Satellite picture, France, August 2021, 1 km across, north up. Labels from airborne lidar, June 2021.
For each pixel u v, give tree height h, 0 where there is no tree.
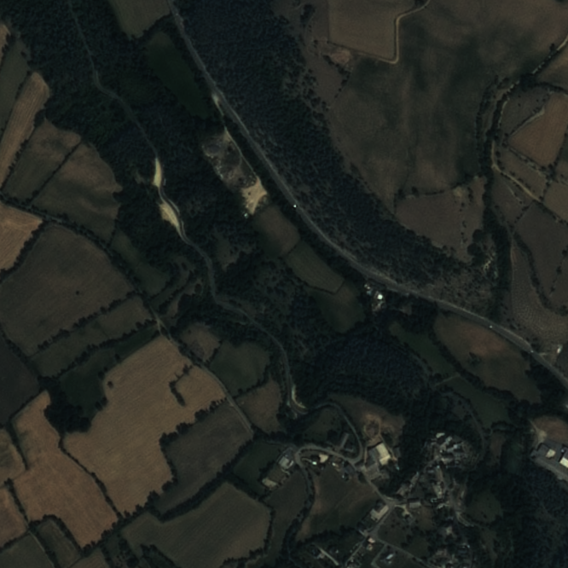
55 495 0
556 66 0
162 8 0
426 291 0
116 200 13
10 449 0
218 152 0
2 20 6
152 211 11
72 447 0
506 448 11
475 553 9
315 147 17
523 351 6
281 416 9
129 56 29
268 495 9
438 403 11
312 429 0
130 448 0
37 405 0
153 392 0
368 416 0
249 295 6
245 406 0
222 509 0
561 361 0
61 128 9
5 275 17
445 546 6
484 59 0
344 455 7
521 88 7
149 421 0
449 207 0
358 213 15
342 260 13
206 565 0
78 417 10
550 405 7
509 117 0
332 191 12
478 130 7
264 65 11
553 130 0
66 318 0
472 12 0
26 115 0
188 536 0
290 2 0
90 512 0
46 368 0
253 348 0
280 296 19
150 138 10
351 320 0
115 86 7
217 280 11
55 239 0
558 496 10
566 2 0
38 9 12
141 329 16
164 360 0
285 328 13
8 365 0
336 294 0
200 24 17
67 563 0
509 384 0
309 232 9
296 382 8
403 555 0
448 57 0
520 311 0
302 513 8
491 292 7
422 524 0
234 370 0
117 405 0
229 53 12
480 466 11
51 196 0
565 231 0
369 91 0
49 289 0
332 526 0
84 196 0
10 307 0
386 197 0
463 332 0
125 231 13
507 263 6
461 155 0
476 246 9
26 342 0
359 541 0
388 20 0
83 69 22
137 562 17
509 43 0
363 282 17
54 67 13
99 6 15
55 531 0
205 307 7
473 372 0
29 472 0
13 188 0
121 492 0
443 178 0
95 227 0
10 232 0
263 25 11
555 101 0
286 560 17
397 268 15
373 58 0
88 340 0
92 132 20
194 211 7
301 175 12
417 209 0
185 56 16
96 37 19
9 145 0
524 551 16
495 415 0
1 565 0
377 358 18
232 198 17
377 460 0
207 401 0
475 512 0
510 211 0
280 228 0
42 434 0
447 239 0
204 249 11
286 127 7
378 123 0
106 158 13
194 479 0
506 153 0
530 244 0
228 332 13
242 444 0
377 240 13
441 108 0
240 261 11
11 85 0
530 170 0
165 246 17
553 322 0
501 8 0
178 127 12
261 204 0
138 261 0
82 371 0
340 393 8
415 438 27
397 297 11
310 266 0
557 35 0
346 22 0
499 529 9
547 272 0
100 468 0
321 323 14
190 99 0
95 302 0
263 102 11
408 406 11
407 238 14
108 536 11
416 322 10
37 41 14
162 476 0
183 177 12
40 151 0
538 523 14
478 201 0
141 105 7
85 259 0
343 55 0
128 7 0
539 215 0
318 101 8
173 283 11
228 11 19
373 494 0
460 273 6
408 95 0
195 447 0
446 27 0
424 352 0
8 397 0
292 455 0
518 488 6
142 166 16
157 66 0
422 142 0
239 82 16
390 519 0
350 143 0
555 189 0
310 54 0
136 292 8
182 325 15
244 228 14
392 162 0
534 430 0
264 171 12
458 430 8
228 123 16
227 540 0
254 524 0
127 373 0
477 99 0
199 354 0
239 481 16
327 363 18
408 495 7
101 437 0
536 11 0
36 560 0
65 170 0
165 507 0
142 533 0
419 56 0
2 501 0
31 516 0
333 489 0
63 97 26
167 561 13
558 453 0
